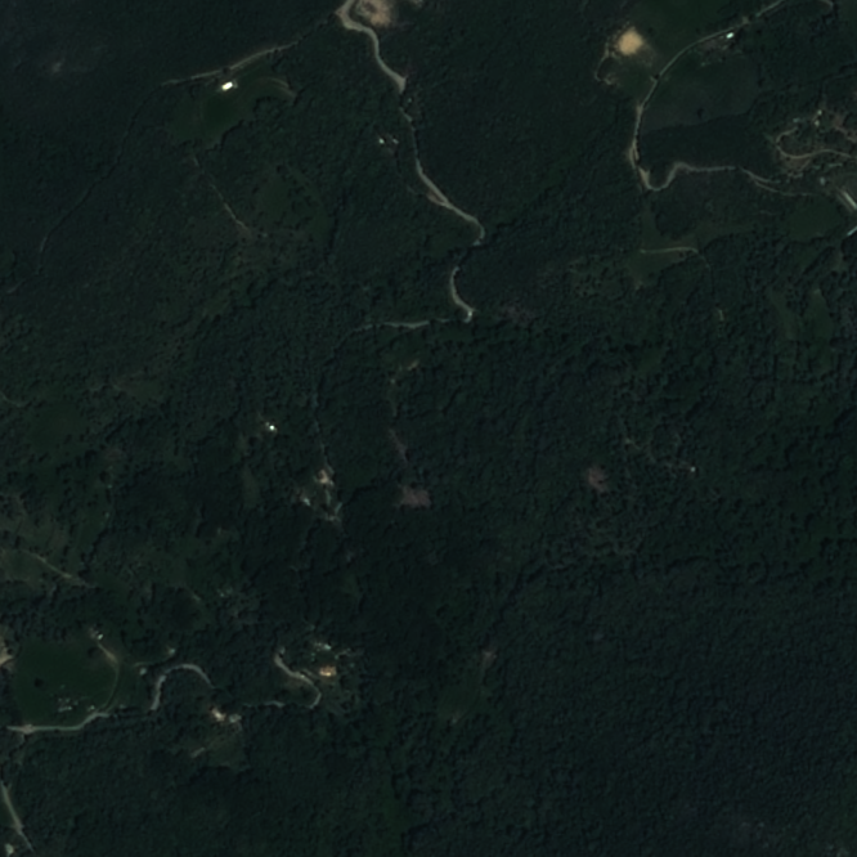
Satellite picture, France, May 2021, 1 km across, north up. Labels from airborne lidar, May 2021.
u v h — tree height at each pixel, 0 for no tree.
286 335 13
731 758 6
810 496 13
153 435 17
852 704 8
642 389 14
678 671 9
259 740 14
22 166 9
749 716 12
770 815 8
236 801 14
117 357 11
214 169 11
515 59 8
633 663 14
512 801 16
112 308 7
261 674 16
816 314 8
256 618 12
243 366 14
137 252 11
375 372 14
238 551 12
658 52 0
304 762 9
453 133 6
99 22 5
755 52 8
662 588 18
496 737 17
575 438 14
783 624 13
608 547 11
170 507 16
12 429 7
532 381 7
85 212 8
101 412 9
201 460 15
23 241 6
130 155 6
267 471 8
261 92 0
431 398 12
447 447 13
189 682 9
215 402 9
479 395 12
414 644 22
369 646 20
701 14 0
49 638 13
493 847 13
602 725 14
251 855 10
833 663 8
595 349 14
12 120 8
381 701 20
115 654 0
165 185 7
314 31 7
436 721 11
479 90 7
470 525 8
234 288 7
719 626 10
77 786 6
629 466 9
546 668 13
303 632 20
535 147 9
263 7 7
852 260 12
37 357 11
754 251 10
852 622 14
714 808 7
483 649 13
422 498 0
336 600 17
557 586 13
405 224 9
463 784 17
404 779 25
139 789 7
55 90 6
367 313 14
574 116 6
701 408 16
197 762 6
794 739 6
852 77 6
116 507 7
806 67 9
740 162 8
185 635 15
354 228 6
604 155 8
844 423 19
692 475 13
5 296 6
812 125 8
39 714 0
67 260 8
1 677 14
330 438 12
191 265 9
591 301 12
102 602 23
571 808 11
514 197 10
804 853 14
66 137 8
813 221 0
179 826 10
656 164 6
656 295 12
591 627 11
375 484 11
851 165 9
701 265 10
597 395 14
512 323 15
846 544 17
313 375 12
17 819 0
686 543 15
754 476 12
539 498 11
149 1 7
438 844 17
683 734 11
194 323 14
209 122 0
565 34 6
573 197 12
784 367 19
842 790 14
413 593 17
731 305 9
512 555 14
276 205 0
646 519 12
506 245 9
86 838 9
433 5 8
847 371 13
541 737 13
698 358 14
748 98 0
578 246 11
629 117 7
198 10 8
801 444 14
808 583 18
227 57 6
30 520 0
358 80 6
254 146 7
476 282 8
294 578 17
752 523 16
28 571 0
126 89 7
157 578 11
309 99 13
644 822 7
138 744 12
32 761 13
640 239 9
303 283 12
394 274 11
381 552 14
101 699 0
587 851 8
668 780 12
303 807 13
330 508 19
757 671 8
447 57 5
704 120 10
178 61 6
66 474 14
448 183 10
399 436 7
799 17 7
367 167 11
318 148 11
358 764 12
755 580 13
